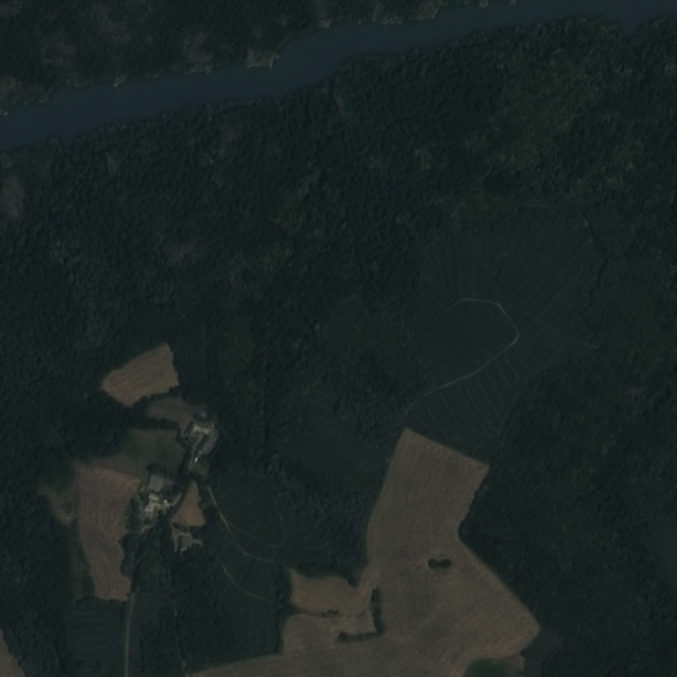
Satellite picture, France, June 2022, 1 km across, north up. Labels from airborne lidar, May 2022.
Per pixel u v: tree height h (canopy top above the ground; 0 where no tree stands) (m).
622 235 19
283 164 20
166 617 10
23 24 17
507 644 0
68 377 12
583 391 7
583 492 16
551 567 18
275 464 17
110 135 10
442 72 23
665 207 23
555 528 11
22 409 18
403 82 14
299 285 8
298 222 28
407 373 15
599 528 20
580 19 17
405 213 16
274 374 16
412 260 11
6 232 11
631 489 16
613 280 16
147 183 9
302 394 16
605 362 8
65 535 12
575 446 14
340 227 19
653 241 16
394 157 17
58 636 23
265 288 19
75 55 6
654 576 11
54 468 0
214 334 15
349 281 15
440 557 0
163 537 11
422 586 0
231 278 16
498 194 19
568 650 10
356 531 18
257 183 15
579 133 7
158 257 14
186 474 16
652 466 16
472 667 0
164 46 16
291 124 13
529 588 17
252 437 18
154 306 16
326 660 0
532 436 15
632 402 15
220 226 14
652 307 12
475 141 20
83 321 11
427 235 12
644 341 9
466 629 0
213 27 16
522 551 17
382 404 18
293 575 0
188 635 12
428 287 0
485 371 0
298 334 19
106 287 8
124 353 13
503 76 22
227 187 13
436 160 12
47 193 10
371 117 11
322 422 0
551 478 9
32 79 14
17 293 19
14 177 12
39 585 23
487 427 0
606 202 16
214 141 27
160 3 10
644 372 11
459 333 0
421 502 0
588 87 18
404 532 0
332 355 15
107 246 13
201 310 14
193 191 19
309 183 30
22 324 15
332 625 0
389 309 18
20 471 22
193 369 9
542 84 22
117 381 0
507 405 0
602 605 12
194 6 16
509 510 16
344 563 19
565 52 24
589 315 17
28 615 22
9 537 21
